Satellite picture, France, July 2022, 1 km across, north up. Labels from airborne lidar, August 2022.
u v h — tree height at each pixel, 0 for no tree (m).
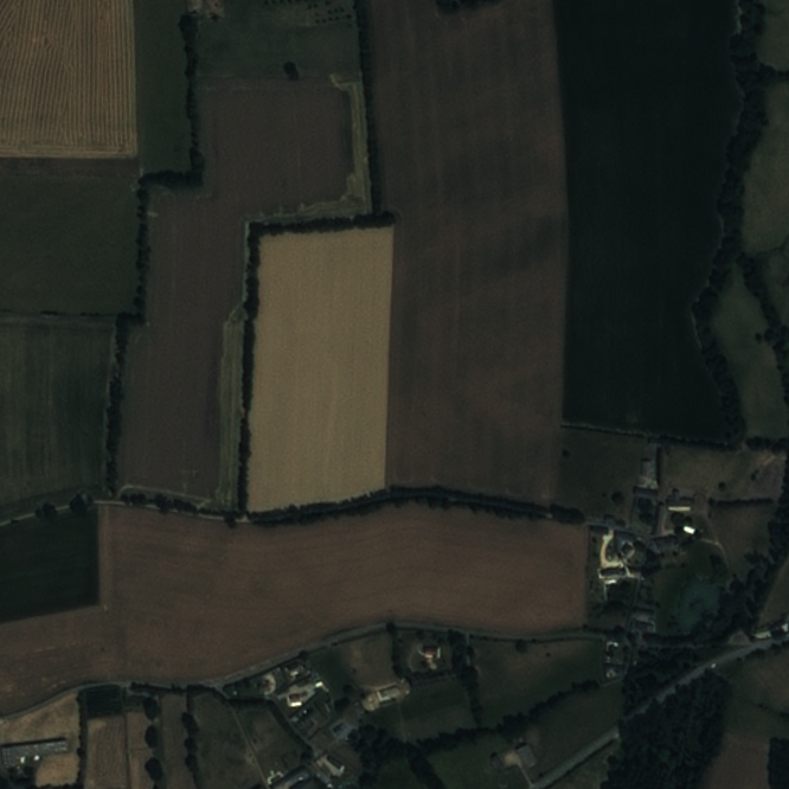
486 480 0
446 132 0
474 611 0
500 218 0
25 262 0
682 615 0
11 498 0
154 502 6
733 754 0
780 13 0
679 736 24
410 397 0
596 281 0
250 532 0
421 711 0
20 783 9
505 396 0
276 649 0
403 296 0
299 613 0
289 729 12
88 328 0
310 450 0
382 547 0
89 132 0
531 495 0
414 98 0
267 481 0
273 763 0
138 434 0
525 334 0
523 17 0
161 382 0
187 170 0
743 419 10
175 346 0
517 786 0
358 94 0
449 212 0
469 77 0
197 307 0
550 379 0
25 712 0
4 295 0
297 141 0
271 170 0
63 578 0
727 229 8
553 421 0
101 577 0
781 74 10
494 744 0
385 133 0
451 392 0
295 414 0
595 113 0
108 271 0
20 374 0
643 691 28
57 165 0
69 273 0
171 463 0
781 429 0
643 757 26
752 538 0
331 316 0
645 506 13
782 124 0
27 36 0
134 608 0
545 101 0
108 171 0
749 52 9
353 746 9
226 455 0
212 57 0
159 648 0
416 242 0
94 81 0
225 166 0
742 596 23
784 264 0
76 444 0
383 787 0
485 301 0
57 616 0
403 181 0
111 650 0
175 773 0
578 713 0
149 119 0
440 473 0
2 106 0
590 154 0
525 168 0
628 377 0
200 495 0
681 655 12
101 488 0
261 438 0
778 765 19
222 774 0
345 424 0
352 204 0
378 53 0
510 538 0
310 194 0
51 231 0
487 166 0
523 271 0
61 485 0
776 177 0
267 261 0
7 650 0
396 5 0
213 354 0
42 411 0
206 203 0
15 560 0
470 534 0
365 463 0
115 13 0
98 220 0
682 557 0
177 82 0
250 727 0
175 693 13
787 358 20
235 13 0
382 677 0
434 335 0
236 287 0
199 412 0
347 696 9
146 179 11
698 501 0
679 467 0
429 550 0
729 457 0
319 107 0
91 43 0
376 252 0
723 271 15
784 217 0
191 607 0
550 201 0
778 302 0
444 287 0
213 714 0
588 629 7
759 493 0
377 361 0
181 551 0
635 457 0
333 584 0
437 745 20
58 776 0
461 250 0
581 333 0
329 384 0
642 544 9
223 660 0
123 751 0
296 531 0
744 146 16
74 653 0
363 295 0
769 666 0
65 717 0
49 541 0
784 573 0
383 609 0
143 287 7
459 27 0
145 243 16
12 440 0
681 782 14
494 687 0
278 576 0
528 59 0
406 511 0
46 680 0
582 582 0
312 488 0
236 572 0
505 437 0
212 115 0
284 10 0
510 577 0
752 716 0
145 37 0
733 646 0
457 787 0
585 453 0
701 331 10
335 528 0
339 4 0
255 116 0
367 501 12
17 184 0
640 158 0
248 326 13
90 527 0
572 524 6
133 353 0
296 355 0
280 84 0
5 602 0
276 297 0
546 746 0
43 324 0
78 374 0
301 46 0
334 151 0
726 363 17
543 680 0
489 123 0
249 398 12
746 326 0
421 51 0
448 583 0
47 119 0
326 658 0
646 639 14
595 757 7
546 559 0
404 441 0
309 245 0
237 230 0
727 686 24
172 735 0
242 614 0
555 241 0
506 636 0
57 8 0
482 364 0
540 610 0
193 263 0
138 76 0
